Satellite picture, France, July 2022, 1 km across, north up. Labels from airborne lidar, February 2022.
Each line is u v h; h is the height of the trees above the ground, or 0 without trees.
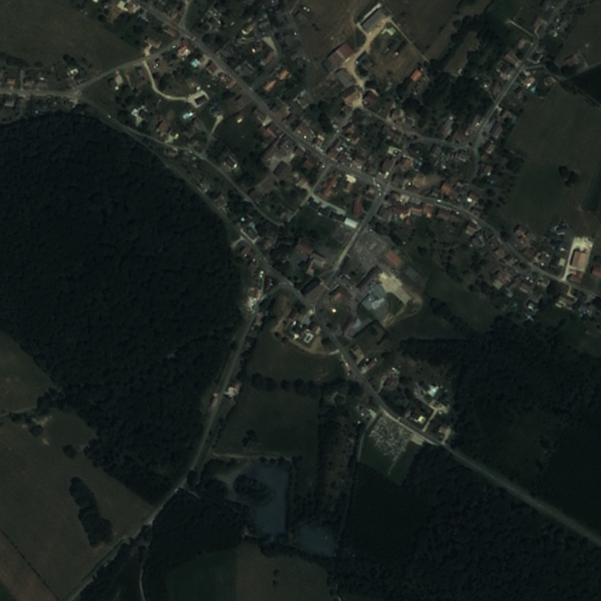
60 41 0
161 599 11
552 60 7
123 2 0
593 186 0
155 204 32
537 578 23
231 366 0
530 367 10
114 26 0
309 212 0
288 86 6
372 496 14
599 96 0
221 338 23
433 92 10
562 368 8
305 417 0
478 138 0
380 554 13
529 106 0
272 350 0
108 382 7
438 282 0
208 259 29
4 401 0
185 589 0
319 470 7
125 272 30
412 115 0
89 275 29
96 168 33
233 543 12
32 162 28
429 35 0
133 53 0
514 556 33
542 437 0
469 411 21
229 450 0
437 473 31
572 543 25
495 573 32
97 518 23
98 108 0
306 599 0
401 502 12
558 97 0
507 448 0
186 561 9
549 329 13
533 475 0
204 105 0
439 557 27
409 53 0
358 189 0
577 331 0
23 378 0
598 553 23
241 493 21
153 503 9
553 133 0
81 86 0
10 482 0
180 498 10
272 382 16
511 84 0
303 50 0
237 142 0
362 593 19
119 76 0
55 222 31
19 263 26
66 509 0
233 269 13
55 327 24
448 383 0
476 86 14
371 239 0
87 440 0
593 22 0
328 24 0
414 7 0
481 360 20
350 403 0
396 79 0
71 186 14
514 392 27
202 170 0
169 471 0
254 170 0
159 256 33
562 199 0
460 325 19
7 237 26
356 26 0
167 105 0
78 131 26
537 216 0
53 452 0
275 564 0
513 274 0
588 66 0
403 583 34
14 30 0
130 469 18
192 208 20
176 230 31
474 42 0
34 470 0
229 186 0
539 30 0
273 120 0
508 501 25
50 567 0
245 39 0
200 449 0
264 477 0
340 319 0
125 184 27
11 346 0
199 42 0
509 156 11
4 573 0
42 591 0
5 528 0
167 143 0
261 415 0
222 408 0
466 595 27
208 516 18
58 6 0
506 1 0
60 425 0
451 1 0
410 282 0
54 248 27
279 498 0
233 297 26
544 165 0
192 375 34
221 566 0
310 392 24
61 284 28
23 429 0
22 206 27
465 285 0
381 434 0
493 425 0
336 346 0
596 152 0
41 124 23
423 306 0
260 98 0
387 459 0
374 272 0
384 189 0
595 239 0
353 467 11
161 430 30
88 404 21
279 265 9
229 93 10
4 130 20
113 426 28
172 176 9
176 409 26
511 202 0
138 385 27
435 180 9
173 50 0
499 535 34
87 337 27
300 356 0
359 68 6
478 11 0
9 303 24
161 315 29
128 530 0
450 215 0
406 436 0
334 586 14
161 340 30
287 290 0
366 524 12
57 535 0
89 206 32
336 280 0
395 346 0
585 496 6
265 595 0
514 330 13
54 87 0
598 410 16
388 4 0
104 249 30
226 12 6
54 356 27
